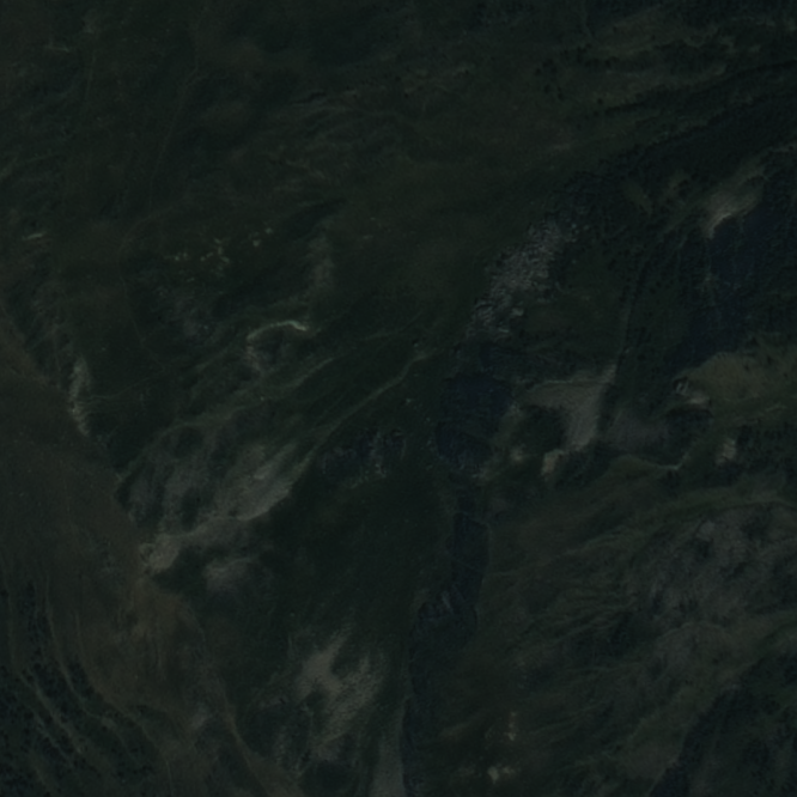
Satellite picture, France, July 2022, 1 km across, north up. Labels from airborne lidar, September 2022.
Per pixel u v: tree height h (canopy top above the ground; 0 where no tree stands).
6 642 0
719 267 11
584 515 0
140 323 0
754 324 6
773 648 0
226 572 0
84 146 0
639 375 0
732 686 0
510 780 0
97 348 0
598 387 0
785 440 7
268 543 0
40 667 9
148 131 0
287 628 0
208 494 0
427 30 0
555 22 0
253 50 0
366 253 0
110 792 0
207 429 0
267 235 0
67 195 0
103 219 0
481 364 0
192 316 0
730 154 13
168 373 0
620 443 0
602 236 11
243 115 0
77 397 0
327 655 0
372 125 0
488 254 0
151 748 0
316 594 0
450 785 0
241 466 0
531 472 0
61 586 0
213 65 0
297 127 0
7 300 0
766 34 11
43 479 0
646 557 0
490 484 0
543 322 0
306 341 0
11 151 0
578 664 0
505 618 0
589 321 0
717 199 0
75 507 0
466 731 0
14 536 0
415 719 0
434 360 0
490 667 0
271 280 0
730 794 0
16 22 0
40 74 0
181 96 0
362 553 0
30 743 10
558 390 0
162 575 0
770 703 7
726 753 0
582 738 0
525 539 0
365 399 0
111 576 0
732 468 9
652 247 6
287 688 0
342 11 0
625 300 11
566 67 0
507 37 0
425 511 0
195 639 0
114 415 0
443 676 0
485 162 0
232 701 0
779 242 9
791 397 0
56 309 0
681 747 0
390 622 0
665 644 0
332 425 0
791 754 0
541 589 0
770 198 8
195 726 0
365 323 0
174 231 0
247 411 0
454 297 0
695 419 6
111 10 0
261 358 0
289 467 0
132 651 0
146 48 0
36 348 0
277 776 0
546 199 0
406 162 0
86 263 0
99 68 0
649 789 0
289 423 0
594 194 9
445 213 0
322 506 0
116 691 0
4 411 0
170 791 0
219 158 0
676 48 11
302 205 0
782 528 0
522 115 0
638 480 0
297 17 0
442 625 0
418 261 0
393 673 0
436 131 0
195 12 0
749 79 8
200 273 0
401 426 0
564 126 0
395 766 0
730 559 0
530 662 0
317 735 0
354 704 0
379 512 0
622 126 0
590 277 0
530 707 0
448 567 0
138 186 0
